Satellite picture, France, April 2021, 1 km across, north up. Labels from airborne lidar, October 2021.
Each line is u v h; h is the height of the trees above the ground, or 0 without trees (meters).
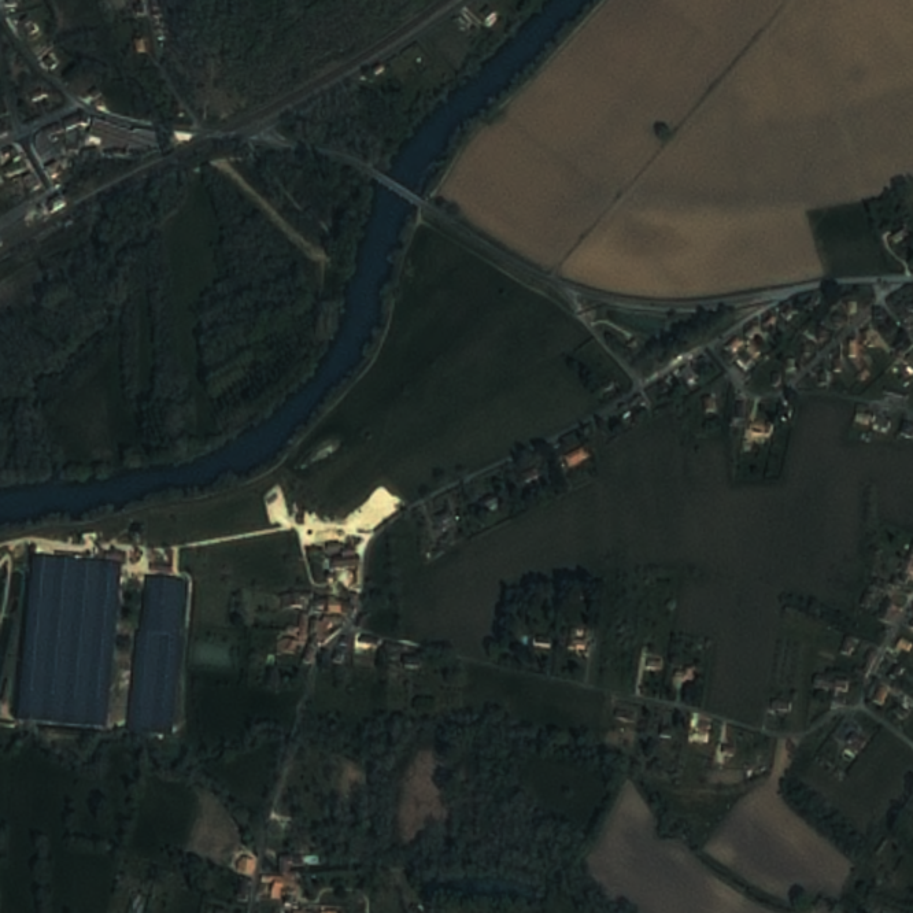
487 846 7
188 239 0
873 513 9
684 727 11
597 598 26
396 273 0
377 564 0
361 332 0
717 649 0
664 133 16
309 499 9
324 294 0
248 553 0
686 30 0
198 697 6
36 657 0
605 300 0
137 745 15
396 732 28
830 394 0
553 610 10
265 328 25
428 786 0
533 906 10
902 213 8
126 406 11
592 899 22
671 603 7
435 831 19
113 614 0
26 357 25
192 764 18
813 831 14
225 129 0
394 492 0
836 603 0
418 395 0
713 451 0
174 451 20
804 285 0
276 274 14
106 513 14
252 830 16
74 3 0
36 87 19
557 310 0
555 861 27
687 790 0
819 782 0
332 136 12
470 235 0
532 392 0
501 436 0
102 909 0
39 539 0
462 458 0
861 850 8
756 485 0
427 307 0
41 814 0
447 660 21
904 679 9
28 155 0
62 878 0
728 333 0
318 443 0
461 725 19
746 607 0
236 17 17
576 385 0
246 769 0
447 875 20
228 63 14
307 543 0
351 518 0
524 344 0
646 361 15
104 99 0
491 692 0
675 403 15
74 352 29
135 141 0
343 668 9
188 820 0
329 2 16
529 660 19
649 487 0
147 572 0
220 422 23
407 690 8
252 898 0
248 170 10
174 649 0
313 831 7
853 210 0
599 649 0
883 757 0
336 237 8
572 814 0
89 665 0
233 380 30
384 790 24
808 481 0
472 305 0
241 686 9
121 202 20
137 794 21
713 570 0
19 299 0
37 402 8
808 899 19
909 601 0
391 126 18
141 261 21
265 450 0
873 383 0
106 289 22
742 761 0
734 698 0
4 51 6
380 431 0
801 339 6
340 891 10
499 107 10
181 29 13
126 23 6
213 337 21
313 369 16
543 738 11
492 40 16
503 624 20
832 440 0
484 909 34
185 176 17
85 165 13
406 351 0
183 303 0
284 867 0
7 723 0
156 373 11
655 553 0
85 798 0
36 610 0
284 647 0
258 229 13
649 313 0
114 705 0
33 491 0
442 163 14
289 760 17
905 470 0
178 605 0
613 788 19
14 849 0
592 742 19
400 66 0
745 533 0
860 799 0
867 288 0
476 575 0
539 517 0
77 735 0
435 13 0
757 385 0
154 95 6
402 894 0
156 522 0
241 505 0
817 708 0
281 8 19
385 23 21
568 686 0
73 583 0
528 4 12
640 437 0
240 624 13
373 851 20
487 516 16
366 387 0
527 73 16
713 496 0
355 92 24
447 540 7
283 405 10
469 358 0
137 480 0
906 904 7
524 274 0
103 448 0
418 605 0
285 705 0
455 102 0
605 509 0
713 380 20
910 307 6
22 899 0
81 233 6
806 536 0
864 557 0
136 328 17
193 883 18
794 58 0
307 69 9
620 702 0
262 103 9
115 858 15
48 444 14
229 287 14
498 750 18
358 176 7
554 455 10
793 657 8
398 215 0
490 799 18
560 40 14
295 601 0
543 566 0
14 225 0
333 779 17
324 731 9
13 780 0
